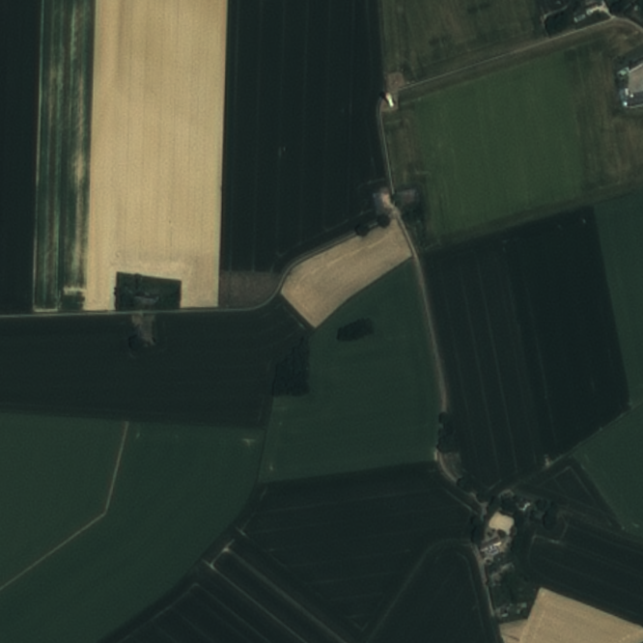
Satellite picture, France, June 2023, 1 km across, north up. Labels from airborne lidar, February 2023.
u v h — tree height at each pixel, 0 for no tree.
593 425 0
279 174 0
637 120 0
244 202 0
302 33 0
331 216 0
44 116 0
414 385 0
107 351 0
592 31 0
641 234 0
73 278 0
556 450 0
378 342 0
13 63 0
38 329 0
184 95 0
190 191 0
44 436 0
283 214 0
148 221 0
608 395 0
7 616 0
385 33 0
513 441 0
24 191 0
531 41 0
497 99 0
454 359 0
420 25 0
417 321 0
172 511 0
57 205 0
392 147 0
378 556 0
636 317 0
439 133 0
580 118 0
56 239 0
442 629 0
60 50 0
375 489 0
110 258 0
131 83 0
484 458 0
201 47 0
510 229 0
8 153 0
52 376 0
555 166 0
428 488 0
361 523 0
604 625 0
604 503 0
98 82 0
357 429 0
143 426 0
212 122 0
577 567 0
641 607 0
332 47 0
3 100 0
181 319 0
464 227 0
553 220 0
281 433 0
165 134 0
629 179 0
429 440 0
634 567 0
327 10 0
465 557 0
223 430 0
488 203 0
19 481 0
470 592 0
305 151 0
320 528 0
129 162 0
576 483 0
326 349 0
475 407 0
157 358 0
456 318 0
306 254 0
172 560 0
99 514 0
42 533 0
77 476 0
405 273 0
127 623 0
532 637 0
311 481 0
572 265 0
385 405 0
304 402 0
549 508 21
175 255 0
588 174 0
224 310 0
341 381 0
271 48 0
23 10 0
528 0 0
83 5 0
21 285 0
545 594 0
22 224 0
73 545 0
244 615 0
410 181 0
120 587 0
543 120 0
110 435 0
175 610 0
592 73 0
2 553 0
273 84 0
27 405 0
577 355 0
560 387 0
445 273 0
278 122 0
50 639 0
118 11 0
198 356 0
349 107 0
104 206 0
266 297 0
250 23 0
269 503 0
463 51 0
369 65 0
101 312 0
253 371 0
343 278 0
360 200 0
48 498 0
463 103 0
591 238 0
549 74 0
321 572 0
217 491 0
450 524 0
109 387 0
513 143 0
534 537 0
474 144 0
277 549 0
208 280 0
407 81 0
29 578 0
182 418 0
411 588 0
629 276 0
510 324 0
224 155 0
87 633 0
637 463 0
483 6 0
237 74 0
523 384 0
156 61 0
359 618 0
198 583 0
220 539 0
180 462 0
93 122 0
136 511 0
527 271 0
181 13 0
